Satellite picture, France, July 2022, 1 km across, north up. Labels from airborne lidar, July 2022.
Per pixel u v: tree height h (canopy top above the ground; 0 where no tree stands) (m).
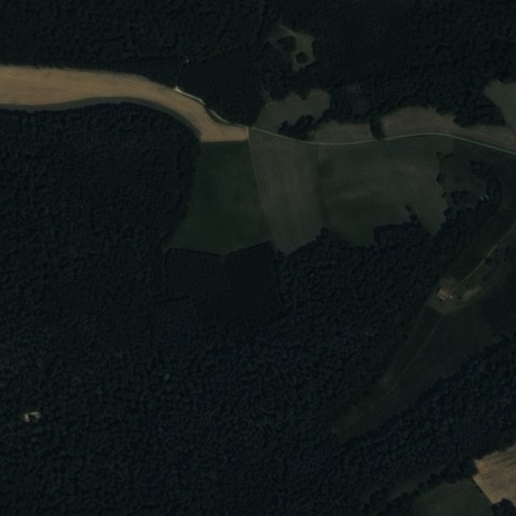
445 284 0
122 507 33
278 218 0
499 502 0
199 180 0
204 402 29
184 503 29
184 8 27
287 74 24
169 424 30
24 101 0
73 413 13
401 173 0
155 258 14
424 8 8
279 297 10
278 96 19
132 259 16
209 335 19
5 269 20
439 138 0
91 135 23
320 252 28
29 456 31
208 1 26
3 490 31
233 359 30
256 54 24
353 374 27
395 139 0
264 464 22
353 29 5
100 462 31
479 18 27
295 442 16
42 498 25
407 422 27
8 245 28
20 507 31
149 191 19
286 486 19
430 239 24
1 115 30
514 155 0
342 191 0
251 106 13
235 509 27
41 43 25
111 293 17
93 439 32
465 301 0
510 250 8
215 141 0
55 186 19
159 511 28
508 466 0
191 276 17
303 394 20
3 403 27
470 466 27
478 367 29
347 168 0
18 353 26
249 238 0
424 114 0
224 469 29
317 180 0
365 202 0
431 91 26
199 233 0
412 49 9
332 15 8
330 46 8
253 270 11
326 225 0
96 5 25
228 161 0
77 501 28
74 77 0
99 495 30
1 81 0
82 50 26
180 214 19
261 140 0
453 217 19
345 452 22
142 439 22
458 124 18
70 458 10
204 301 12
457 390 36
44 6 22
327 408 23
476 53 34
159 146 19
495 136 0
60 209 19
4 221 26
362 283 30
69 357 18
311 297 24
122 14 25
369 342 24
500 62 20
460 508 0
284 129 14
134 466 32
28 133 29
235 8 27
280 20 24
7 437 26
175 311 26
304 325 26
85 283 16
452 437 22
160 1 25
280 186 0
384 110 27
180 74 18
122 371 28
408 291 26
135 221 16
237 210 0
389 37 7
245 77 14
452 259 24
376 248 15
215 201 0
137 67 25
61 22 18
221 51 11
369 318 26
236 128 0
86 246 26
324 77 18
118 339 16
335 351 28
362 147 0
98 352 18
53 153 16
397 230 27
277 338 24
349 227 0
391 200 0
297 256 20
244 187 0
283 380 25
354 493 24
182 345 30
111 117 26
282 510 22
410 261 26
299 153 0
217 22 20
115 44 24
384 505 20
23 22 19
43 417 7
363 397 17
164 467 27
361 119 15
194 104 0
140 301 16
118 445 37
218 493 28
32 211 24
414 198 0
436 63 12
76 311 23
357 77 10
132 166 12
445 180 9
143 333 20
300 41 0
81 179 20
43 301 21
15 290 22
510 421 19
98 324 16
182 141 19
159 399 27
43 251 29
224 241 0
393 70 10
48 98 0
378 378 25
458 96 19
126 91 0
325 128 0
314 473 23
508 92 0
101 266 21
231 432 26
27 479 32
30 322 20
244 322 11
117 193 19
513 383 25
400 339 25
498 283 0
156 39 16
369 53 8
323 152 0
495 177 13
